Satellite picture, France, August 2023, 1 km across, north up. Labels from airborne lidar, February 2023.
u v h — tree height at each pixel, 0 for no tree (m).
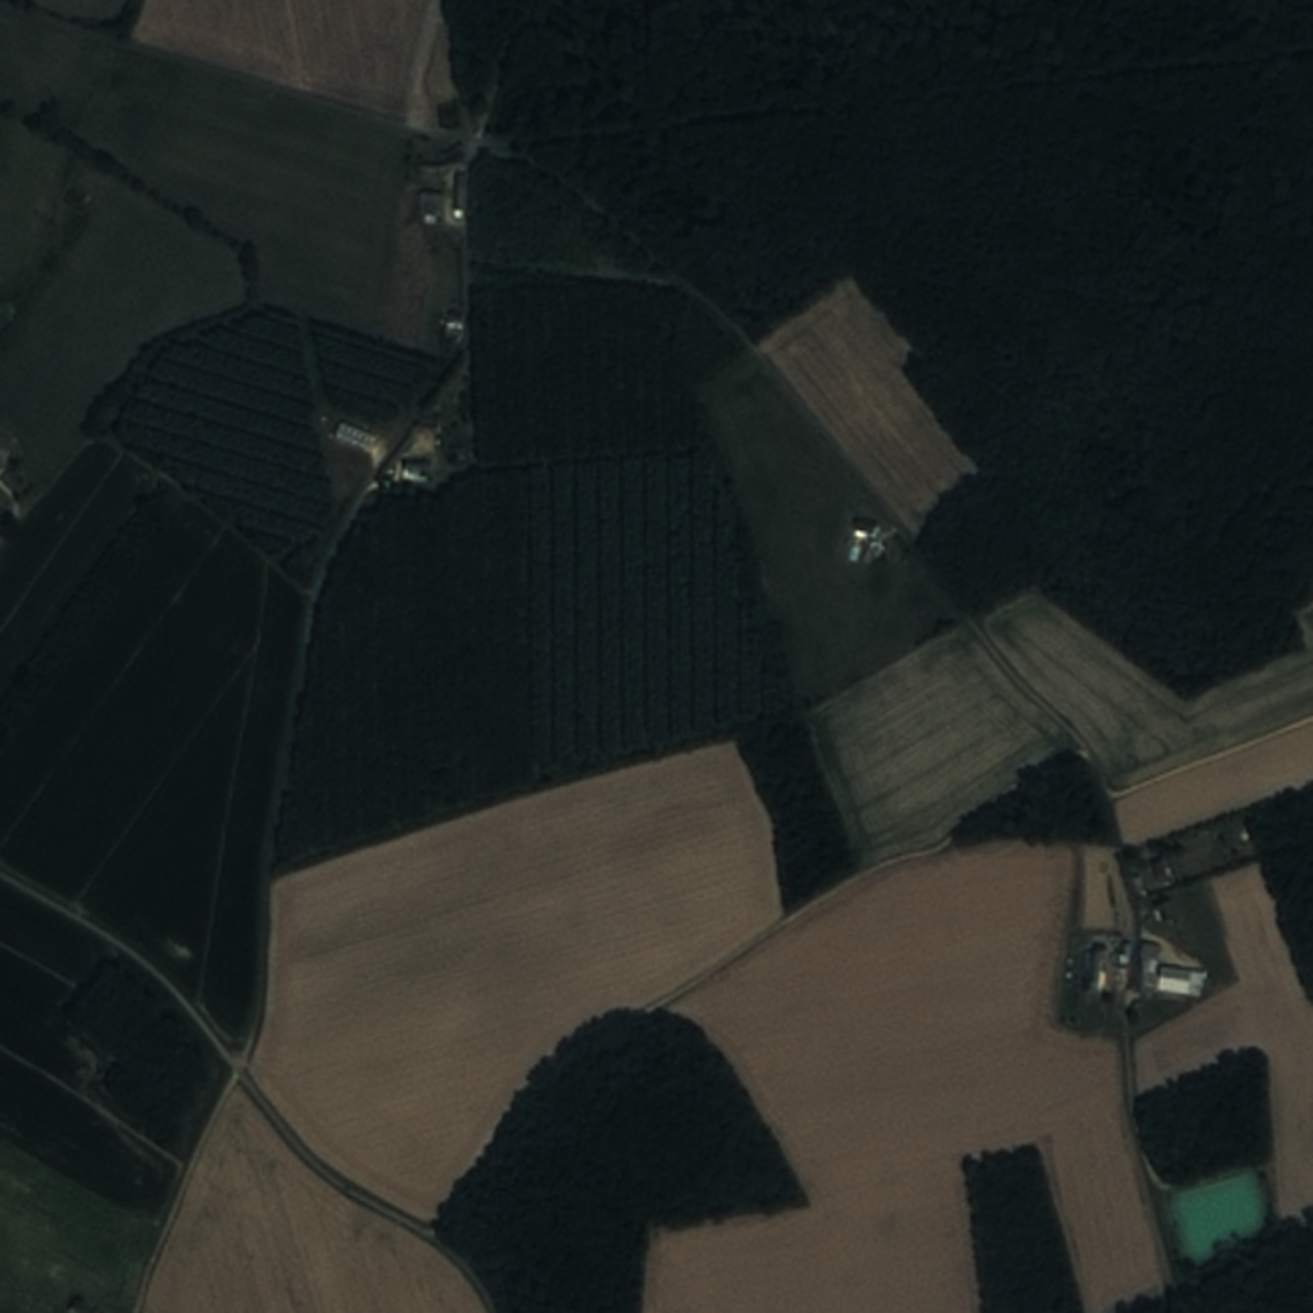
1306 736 0
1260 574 18
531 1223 18
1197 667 17
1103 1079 0
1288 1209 0
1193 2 6
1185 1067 0
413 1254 0
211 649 0
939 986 0
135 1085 16
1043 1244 14
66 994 0
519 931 0
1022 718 0
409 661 13
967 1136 0
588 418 14
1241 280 18
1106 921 0
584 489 16
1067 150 19
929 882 0
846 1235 0
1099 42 14
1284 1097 0
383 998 0
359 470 0
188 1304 0
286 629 0
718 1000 0
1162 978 0
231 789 0
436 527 13
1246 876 0
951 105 20
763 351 0
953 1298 0
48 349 0
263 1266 0
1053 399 17
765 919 0
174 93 0
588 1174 19
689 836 0
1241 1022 0
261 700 0
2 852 0
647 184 18
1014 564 21
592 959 0
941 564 18
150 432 12
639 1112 18
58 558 0
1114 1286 0
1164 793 0
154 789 0
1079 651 0
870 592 0
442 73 0
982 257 18
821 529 0
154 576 0
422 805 10
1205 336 17
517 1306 11
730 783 0
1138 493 17
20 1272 0
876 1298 0
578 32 21
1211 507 17
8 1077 0
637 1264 9
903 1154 0
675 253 14
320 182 0
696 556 15
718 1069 17
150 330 0
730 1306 0
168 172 0
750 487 0
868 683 0
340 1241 0
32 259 0
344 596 13
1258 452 15
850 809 0
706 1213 16
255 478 13
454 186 0
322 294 0
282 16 0
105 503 0
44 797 0
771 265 18
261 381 14
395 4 0
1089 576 17
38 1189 0
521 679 12
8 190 0
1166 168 9
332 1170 0
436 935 0
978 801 0
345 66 0
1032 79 11
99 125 0
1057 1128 0
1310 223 18
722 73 18
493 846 0
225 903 0
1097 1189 0
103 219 0
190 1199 0
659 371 13
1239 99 14
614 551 16
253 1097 0
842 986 0
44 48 0
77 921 0
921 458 0
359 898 0
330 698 12
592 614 17
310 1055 0
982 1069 0
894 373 0
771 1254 0
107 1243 0
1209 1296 17
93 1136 0
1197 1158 19
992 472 15
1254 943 0
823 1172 0
